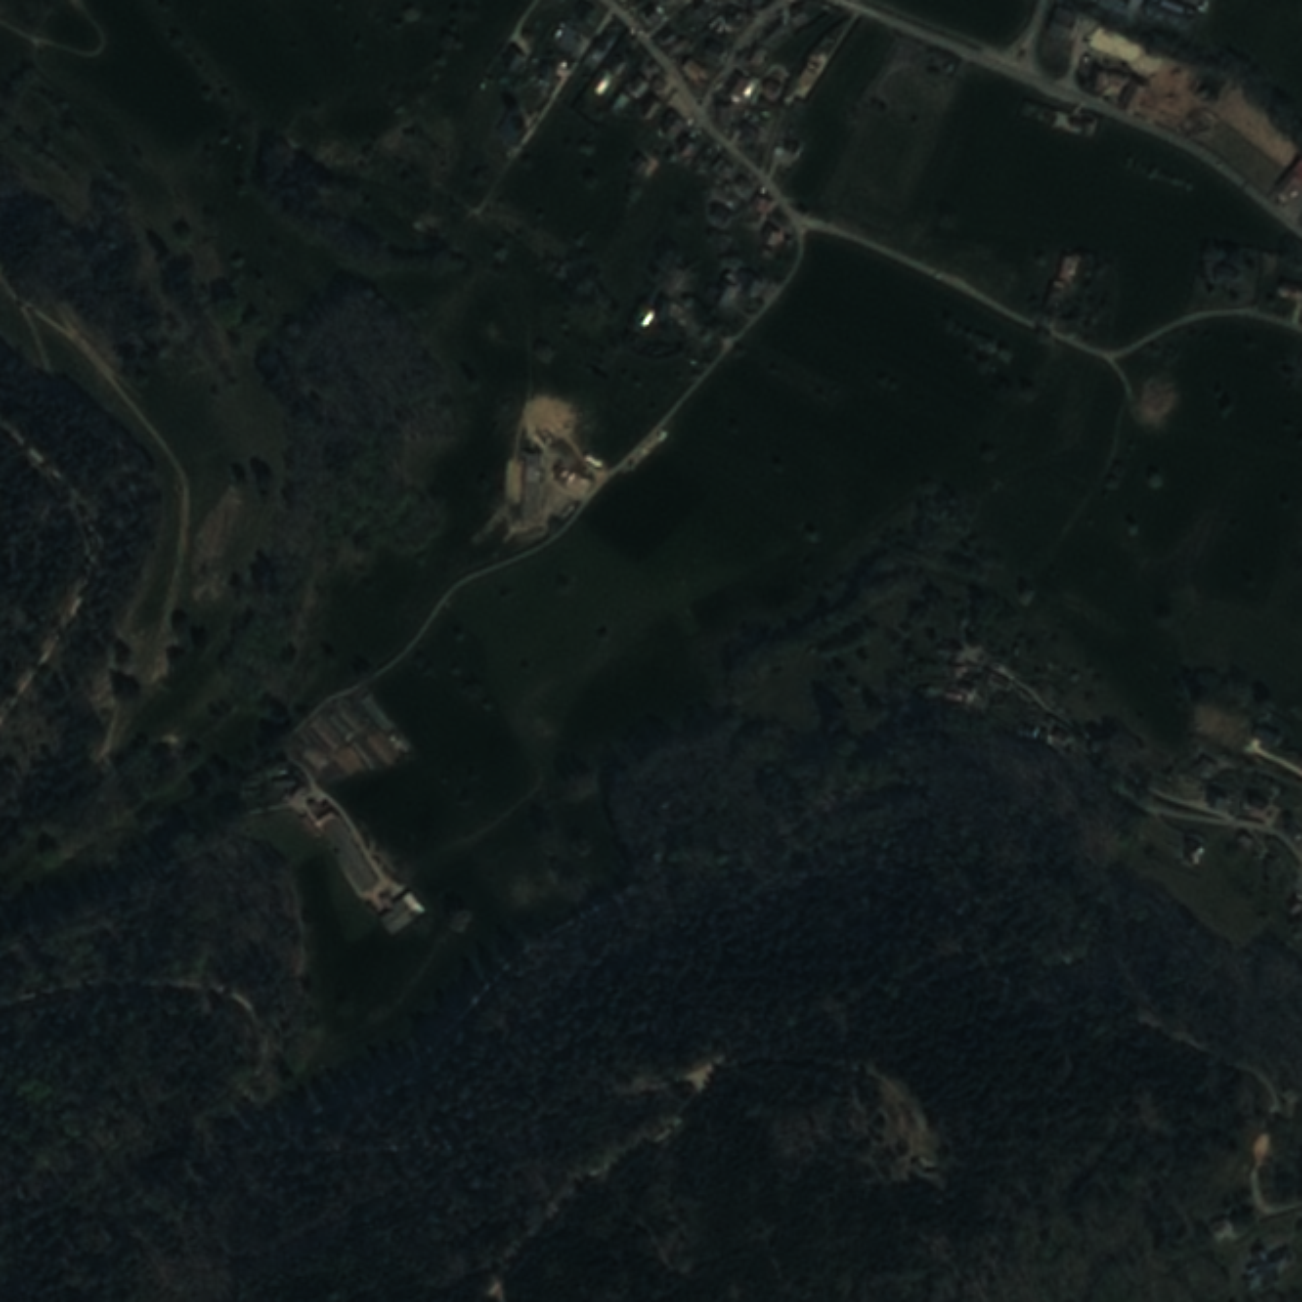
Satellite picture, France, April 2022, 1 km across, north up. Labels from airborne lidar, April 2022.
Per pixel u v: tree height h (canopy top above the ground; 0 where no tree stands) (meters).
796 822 29
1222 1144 18
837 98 0
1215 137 0
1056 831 30
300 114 0
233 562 0
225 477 0
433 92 0
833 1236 10
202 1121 12
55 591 28
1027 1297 17
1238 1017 22
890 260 0
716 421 0
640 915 27
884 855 25
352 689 0
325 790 0
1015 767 27
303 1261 13
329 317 25
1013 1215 10
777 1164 12
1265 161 0
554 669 0
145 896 20
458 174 0
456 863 0
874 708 15
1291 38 0
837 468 0
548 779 0
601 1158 13
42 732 9
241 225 0
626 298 0
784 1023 22
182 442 0
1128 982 31
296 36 0
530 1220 19
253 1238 14
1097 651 0
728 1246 10
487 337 0
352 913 0
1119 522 0
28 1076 24
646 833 26
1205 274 7
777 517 0
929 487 11
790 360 0
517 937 0
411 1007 0
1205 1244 14
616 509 0
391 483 28
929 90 0
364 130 0
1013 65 0
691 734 0
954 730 12
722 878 18
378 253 30
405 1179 18
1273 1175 14
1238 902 0
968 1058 24
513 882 0
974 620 7
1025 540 0
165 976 24
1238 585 0
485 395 0
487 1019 26
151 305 24
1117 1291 24
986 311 0
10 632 28
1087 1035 27
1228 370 0
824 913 20
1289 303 0
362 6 0
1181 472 0
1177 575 0
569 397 0
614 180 0
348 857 0
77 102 0
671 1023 23
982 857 22
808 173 0
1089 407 0
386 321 27
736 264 12
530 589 0
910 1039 16
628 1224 13
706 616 0
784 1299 11
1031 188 0
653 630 0
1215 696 7
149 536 25
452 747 0
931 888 18
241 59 0
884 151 0
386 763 0
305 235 19
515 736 0
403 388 28
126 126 0
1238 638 0
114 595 31
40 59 0
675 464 0
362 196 15
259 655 27
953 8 0
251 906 19
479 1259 9
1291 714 0
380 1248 11
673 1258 7
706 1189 8
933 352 0
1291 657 0
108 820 32
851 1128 25
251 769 14
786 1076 8
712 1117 13
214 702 0
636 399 0
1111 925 26
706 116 0
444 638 0
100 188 7
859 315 0
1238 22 0
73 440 38
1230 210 0
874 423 0
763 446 0
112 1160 8
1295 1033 24
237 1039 11
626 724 0
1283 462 0
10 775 30
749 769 22
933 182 0
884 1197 12
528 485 0
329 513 27
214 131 0
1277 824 0
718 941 30
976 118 0
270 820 12
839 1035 20
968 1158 13
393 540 18
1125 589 0
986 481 0
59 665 14
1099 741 20
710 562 0
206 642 21
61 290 27
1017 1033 26
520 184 0
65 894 0
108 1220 17
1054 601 0
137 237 21
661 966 28
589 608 0
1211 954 28
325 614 6
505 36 0
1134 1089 11
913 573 11
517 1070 28
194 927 14
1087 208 0
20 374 24
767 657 20
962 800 28
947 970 15
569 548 0
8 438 18
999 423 0
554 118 0
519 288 0
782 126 0
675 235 0
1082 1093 13
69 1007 15
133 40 0
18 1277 16
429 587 0
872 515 0
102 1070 9
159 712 0
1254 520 0
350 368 26
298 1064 22
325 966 0
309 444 26
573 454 0
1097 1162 9
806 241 0
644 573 0
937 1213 10
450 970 0
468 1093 34
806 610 0
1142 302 0
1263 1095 15
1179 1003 37
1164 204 0
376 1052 0
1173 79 0
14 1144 26
